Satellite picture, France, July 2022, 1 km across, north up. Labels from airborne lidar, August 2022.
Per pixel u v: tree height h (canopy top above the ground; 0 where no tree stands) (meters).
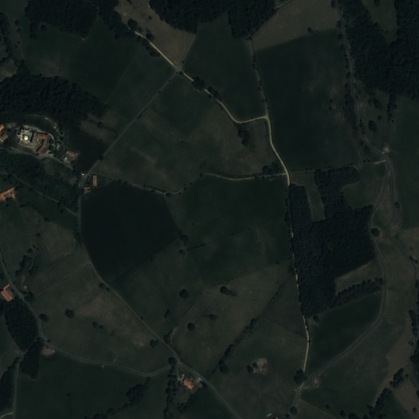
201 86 12
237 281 0
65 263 0
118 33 13
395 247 0
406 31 14
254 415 0
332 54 0
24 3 0
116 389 0
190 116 0
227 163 0
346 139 0
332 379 0
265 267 0
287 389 0
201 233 0
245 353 0
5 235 0
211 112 0
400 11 22
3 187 0
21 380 0
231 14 18
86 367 0
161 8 23
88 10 19
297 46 0
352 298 9
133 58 0
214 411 0
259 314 0
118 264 0
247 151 0
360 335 0
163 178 0
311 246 20
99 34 0
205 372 0
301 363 0
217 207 0
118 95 0
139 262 0
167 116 0
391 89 18
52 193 13
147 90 0
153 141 0
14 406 0
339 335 0
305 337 0
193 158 0
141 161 0
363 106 0
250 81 0
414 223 0
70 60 0
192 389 0
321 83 0
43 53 0
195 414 0
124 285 0
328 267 15
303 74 0
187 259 0
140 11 0
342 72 0
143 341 0
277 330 0
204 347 0
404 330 0
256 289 0
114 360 0
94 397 0
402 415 0
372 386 0
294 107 0
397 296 0
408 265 0
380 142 0
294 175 0
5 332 0
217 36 0
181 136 0
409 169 0
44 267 0
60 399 0
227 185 0
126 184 8
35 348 14
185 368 0
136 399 12
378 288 6
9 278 0
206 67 0
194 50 0
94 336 0
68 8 24
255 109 0
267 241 0
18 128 0
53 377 0
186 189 6
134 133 0
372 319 0
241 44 0
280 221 0
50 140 10
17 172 5
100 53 0
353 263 14
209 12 12
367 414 0
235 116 0
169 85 0
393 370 0
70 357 0
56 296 0
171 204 0
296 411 14
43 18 11
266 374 0
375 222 0
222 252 0
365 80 13
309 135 0
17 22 12
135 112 0
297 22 0
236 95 0
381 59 22
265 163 0
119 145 0
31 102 25
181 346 0
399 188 0
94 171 0
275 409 0
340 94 0
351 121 8
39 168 9
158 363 0
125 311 0
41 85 20
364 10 18
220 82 0
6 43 12
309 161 0
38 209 8
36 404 0
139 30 10
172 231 0
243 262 0
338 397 0
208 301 0
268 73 0
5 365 0
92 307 0
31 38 6
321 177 17
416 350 6
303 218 18
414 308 0
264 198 0
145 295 0
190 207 0
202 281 0
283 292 0
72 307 0
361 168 0
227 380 0
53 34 0
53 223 0
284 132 0
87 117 19
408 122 0
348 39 10
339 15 0
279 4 0
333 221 20
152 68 0
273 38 0
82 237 0
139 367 0
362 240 15
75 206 10
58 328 0
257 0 18
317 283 14
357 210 7
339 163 0
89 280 0
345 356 0
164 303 0
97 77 0
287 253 0
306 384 0
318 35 0
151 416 0
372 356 0
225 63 0
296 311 0
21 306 19
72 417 0
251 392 0
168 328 0
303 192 16
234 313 0
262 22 11
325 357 0
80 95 18
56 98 16
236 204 0
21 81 23
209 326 0
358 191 0
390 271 0
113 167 0
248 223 0
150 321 0
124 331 0
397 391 0
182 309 0
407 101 0
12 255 0
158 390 0
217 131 0
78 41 0
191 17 16
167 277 0
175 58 0
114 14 16
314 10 0
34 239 0
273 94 0
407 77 16
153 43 0
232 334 0
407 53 21
